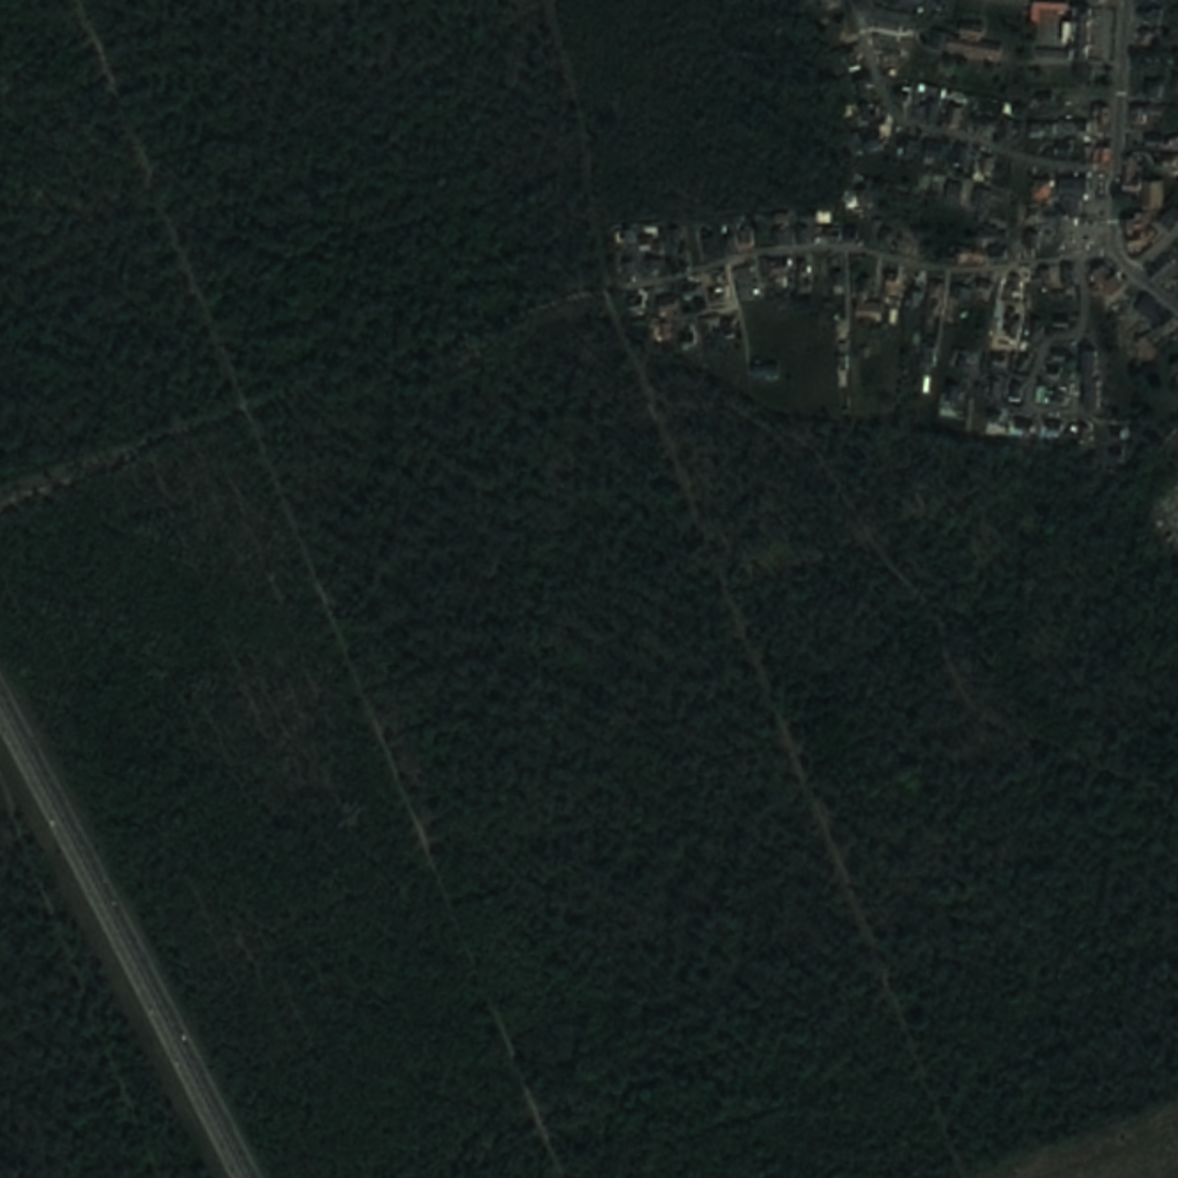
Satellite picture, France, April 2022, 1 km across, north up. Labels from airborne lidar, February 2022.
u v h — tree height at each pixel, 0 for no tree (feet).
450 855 41
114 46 75
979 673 67
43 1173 43
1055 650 44
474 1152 41
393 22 64
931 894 57
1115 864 63
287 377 53
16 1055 49
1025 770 59
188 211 58
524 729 52
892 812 48
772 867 28
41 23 36
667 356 22
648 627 63
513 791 60
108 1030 52
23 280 50
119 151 61
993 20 0
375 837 47
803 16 52
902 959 58
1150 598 62
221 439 40
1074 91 0
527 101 39
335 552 59
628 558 32
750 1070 44
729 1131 28
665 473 52
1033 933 70
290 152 46
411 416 54
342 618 44
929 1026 29
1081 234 0
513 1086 48
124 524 48
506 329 62
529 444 54
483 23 60
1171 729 57
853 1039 43
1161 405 0
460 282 26
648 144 25
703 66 25
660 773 27
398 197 29
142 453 37
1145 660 63
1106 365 0
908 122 0
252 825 48
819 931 53
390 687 35
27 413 57
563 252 51
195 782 50
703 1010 69
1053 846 31
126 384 59
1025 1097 60
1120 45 0
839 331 0
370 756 43
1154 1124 0
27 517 42
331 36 50
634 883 41
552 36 67
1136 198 21
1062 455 46
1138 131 0
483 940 42
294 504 47
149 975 0
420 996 38
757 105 41
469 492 68
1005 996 40
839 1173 49
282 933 33
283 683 38
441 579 64
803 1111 44
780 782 66
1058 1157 0
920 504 66
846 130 32
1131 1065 60
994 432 0
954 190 0
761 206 23
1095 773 66
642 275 0
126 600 41
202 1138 0
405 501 72
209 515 38
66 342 53
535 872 52
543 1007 56
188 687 43
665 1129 55
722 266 0
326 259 71
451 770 64
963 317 0
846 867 0
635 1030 73
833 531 55
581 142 36
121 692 46
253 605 42
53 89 76
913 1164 36
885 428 50
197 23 33
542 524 41
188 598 43
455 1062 52
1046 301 0
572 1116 69
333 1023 44
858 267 21
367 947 46
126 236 49
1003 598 64
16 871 53
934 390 0
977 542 69
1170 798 56
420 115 35
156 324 60
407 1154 56
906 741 64
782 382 0
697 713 53
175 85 65
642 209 35
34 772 0
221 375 53
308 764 28
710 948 63
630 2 24
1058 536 55
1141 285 0
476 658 59
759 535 64
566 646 53
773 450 55
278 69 64
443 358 56
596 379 47
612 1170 47
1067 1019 69
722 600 56
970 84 0
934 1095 34
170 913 39
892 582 60
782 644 34
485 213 50
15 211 49
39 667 40
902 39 0
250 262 63
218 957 44
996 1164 54
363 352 26
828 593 53
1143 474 51
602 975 68
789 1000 73
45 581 41
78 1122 57
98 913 0
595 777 48
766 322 0
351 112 37
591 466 54
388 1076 53
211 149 63
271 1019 43
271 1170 26
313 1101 49
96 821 29
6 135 47
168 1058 0
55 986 54
